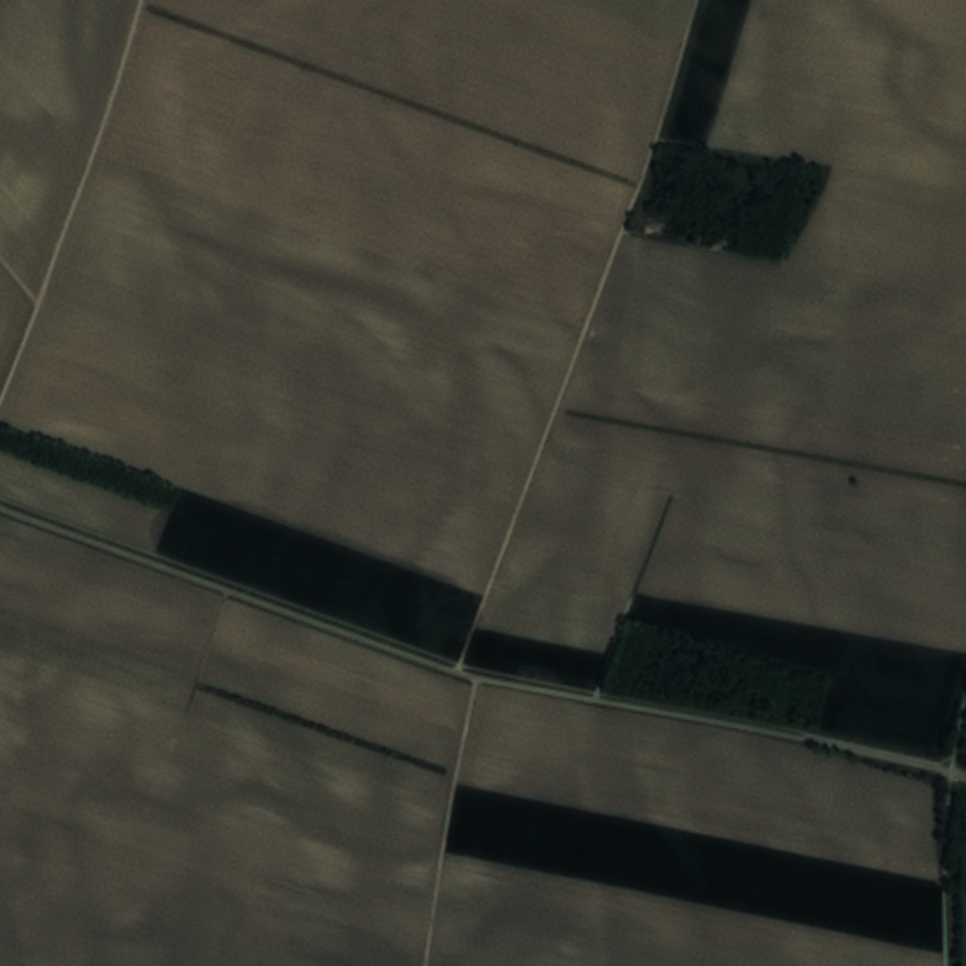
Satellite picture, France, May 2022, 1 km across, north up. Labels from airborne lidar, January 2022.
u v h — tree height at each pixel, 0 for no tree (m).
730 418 0
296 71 0
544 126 0
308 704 0
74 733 0
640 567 0
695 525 0
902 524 0
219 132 0
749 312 0
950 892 9
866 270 0
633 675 15
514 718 0
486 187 0
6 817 0
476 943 0
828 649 0
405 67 0
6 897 0
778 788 0
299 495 0
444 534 0
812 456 0
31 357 0
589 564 0
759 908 0
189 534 0
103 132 0
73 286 0
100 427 0
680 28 0
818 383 0
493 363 0
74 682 0
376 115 0
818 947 0
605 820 0
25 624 0
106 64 0
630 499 0
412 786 0
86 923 0
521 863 0
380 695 0
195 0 0
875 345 0
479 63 0
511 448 0
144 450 0
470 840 0
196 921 0
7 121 0
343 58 0
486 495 0
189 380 0
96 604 0
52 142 0
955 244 0
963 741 10
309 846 0
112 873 0
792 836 0
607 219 0
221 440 0
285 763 0
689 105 0
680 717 0
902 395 0
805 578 0
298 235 0
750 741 0
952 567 0
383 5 0
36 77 0
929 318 0
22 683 0
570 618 0
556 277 0
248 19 0
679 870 0
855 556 0
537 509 0
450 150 0
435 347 0
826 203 0
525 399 0
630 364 0
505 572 0
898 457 0
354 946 0
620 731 0
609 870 0
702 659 19
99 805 0
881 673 0
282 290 0
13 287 0
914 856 0
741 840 0
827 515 0
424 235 0
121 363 0
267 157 0
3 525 0
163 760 0
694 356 0
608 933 0
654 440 0
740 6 0
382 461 0
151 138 0
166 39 0
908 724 0
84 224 0
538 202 0
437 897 0
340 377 0
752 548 0
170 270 0
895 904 0
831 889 0
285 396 0
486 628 0
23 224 0
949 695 0
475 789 0
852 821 0
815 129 0
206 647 0
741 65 0
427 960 0
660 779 0
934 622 0
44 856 0
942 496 0
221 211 0
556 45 0
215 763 0
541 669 0
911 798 0
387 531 0
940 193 0
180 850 0
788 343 0
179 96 0
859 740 0
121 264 0
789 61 0
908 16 0
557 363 0
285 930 0
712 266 0
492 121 0
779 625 0
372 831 0
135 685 0
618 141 0
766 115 0
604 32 0
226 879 0
